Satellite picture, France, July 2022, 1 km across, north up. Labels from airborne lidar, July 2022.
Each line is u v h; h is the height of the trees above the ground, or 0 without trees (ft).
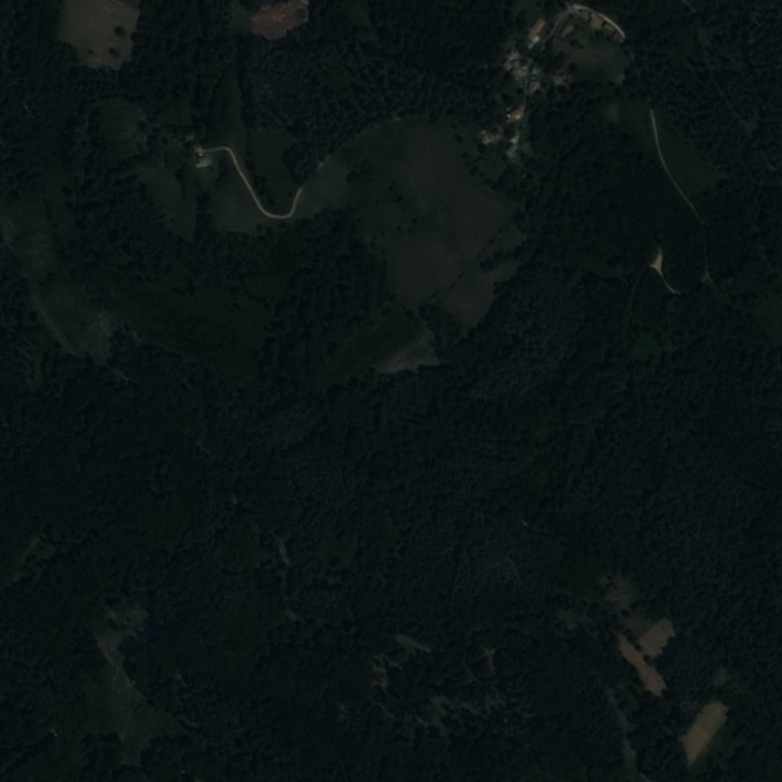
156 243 76
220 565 78
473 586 93
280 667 100
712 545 71
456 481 95
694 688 106
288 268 24
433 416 102
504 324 125
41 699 75
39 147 84
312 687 108
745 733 20
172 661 87
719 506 74
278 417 111
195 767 99
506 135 30
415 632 41
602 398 97
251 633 88
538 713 96
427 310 41
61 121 46
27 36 104
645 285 34
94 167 70
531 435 49
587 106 59
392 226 0
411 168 0
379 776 98
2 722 87
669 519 68
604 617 33
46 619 87
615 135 30
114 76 56
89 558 88
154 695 82
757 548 68
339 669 108
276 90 102
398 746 114
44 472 98
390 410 96
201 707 81
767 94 109
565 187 51
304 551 113
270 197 40
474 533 33
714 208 27
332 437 96
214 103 84
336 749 94
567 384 85
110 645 0
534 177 42
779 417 83
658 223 30
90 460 99
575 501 64
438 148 0
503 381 117
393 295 33
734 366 30
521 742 109
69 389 95
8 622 79
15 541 98
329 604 90
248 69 104
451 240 0
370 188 0
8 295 79
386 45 53
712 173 0
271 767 96
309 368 95
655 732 60
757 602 36
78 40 0
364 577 29
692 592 92
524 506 27
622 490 64
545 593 52
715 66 57
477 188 0
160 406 89
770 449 39
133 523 86
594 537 74
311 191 0
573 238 67
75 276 60
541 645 92
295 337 21
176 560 51
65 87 65
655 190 26
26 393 89
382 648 106
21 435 95
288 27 0
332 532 63
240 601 67
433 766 111
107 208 50
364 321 63
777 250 79
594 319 84
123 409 97
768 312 0
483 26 31
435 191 0
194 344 64
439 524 47
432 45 47
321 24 74
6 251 55
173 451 101
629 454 74
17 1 81
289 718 110
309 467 94
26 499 94
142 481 76
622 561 19
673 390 71
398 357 0
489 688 95
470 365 75
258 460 70
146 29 50
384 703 104
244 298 86
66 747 87
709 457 89
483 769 100
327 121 105
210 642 83
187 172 18
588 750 84
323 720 109
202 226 50
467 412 86
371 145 0
